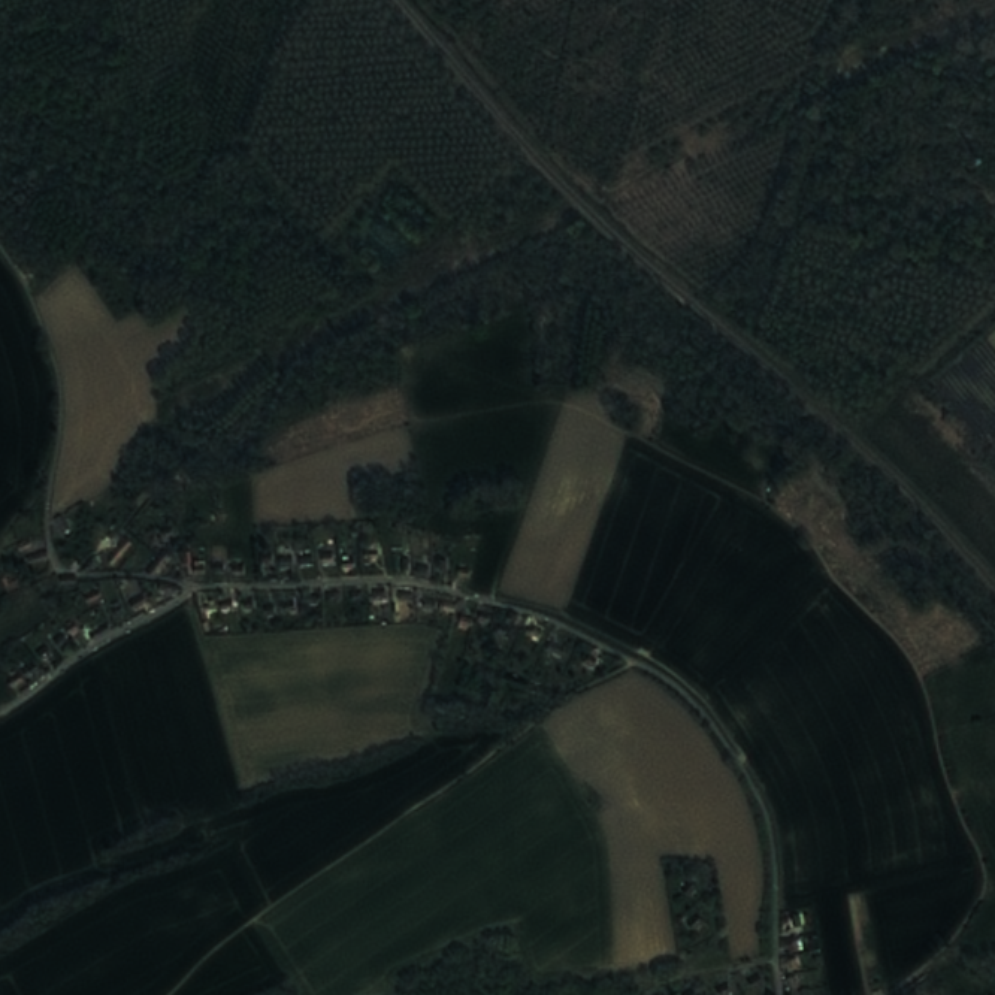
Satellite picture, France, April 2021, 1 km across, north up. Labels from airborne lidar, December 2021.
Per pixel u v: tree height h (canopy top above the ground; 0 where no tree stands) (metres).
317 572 0
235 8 8
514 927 0
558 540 0
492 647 16
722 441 0
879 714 0
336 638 0
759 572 0
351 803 0
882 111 24
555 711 9
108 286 6
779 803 0
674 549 0
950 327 33
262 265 27
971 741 0
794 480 27
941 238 23
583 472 0
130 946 0
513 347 0
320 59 34
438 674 11
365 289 20
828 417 0
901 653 0
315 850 0
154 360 0
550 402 0
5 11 33
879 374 24
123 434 0
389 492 18
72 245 25
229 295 19
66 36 18
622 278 16
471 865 0
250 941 0
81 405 0
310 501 0
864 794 0
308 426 0
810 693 0
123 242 22
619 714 0
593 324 24
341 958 0
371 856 0
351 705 0
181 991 0
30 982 0
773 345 31
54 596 9
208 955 0
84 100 17
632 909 0
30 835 0
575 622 0
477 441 0
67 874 0
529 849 0
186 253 19
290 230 26
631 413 21
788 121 17
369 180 33
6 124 19
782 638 0
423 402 0
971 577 20
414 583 0
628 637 0
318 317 18
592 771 0
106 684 0
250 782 0
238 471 22
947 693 0
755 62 21
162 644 0
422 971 12
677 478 0
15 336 0
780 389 26
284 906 0
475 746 0
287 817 0
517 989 20
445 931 0
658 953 0
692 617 0
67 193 22
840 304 27
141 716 0
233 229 20
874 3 21
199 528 8
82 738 0
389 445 0
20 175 23
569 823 0
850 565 0
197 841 0
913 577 27
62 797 0
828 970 0
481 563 0
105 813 0
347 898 0
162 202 20
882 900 0
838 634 0
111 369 0
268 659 0
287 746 0
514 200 17
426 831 0
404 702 0
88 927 0
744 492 0
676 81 20
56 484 0
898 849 0
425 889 0
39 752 0
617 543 0
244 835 0
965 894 0
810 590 0
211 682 0
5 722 0
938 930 0
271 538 18
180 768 0
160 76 28
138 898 0
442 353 0
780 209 35
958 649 0
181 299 31
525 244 9
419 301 7
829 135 25
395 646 0
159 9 30
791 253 22
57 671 0
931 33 0
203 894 0
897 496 15
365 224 14
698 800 0
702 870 17
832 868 0
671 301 17
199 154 18
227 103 9
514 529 0
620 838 0
